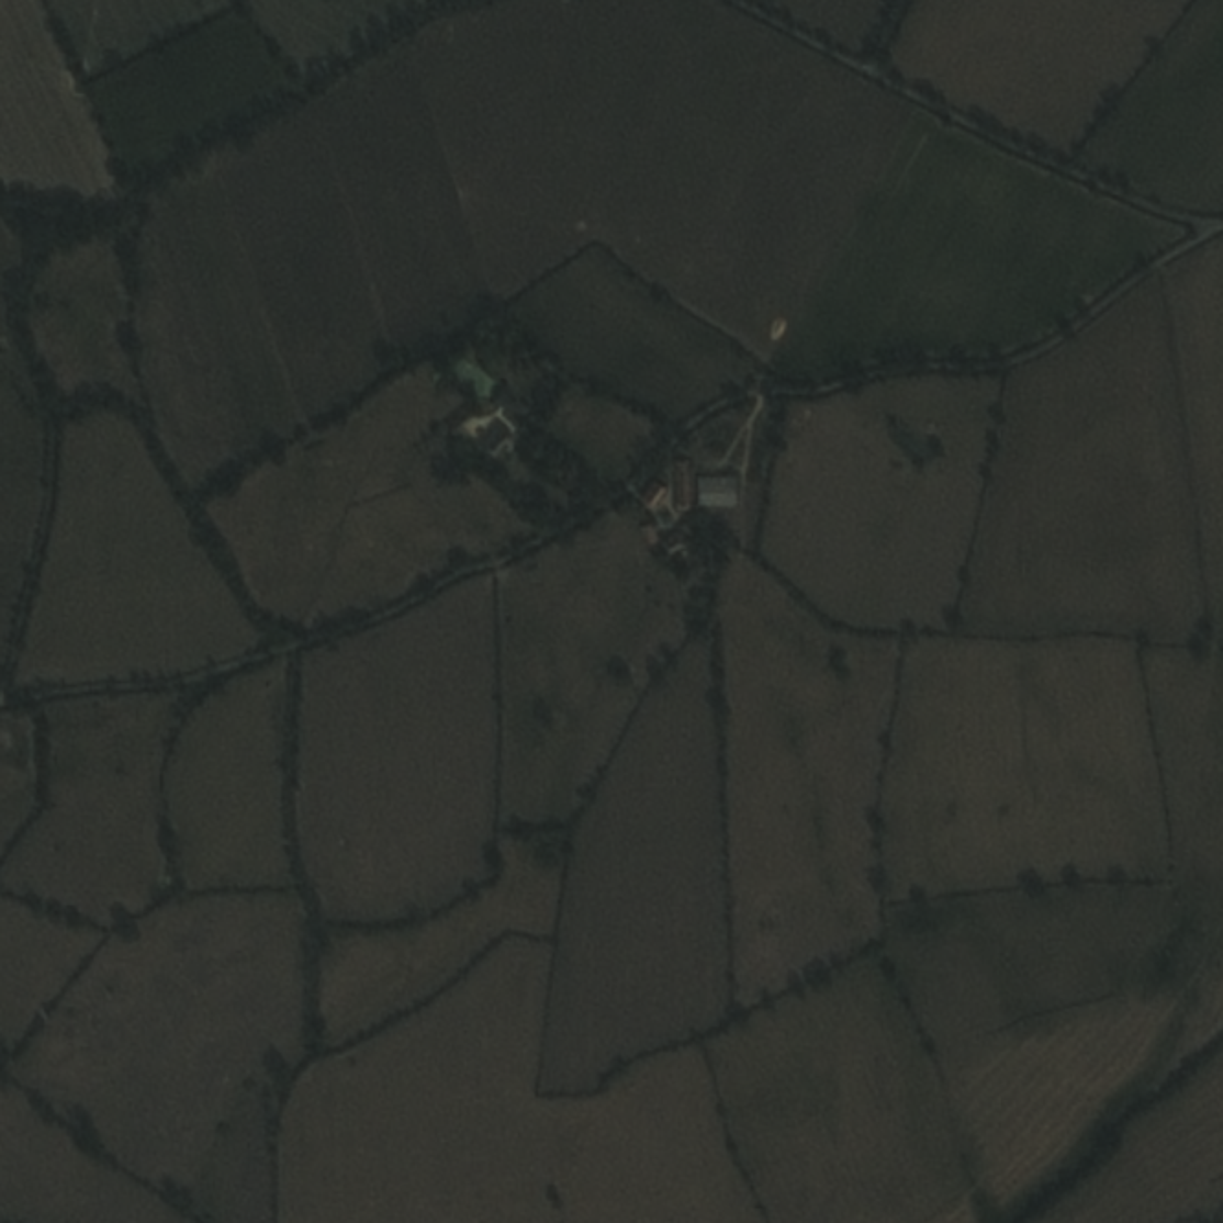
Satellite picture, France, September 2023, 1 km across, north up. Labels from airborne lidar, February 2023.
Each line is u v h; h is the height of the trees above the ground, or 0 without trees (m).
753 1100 0
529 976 0
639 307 0
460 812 0
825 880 0
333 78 15
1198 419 0
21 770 0
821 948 0
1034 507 0
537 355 11
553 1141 0
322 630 12
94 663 0
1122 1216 0
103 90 0
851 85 0
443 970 0
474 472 8
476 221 0
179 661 0
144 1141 0
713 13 0
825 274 0
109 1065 0
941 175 0
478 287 0
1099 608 0
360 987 0
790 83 0
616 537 0
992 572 0
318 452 0
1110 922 0
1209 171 0
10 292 14
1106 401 0
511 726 0
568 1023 0
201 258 0
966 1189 0
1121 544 0
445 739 0
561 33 0
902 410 0
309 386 0
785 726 0
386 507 0
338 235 0
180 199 0
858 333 0
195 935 0
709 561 23
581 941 0
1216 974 0
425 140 0
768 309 0
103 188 0
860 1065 0
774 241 0
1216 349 0
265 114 15
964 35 0
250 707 0
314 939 15
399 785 0
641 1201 0
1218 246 0
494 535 0
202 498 10
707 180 0
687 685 0
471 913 0
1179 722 0
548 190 0
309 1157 0
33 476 0
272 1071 20
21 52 0
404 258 0
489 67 0
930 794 0
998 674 0
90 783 0
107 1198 0
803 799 0
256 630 12
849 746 0
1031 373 0
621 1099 0
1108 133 0
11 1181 0
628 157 0
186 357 0
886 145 0
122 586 0
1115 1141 13
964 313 0
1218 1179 0
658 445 13
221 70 0
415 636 0
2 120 0
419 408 0
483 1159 0
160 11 0
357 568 0
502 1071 0
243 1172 0
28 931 0
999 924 0
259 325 0
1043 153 11
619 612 0
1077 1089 0
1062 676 0
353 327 0
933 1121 0
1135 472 0
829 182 0
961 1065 0
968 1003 0
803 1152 0
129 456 0
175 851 9
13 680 9
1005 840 0
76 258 0
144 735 0
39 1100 12
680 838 0
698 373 0
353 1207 0
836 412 0
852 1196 0
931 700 0
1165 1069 0
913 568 0
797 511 0
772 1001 13
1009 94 0
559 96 0
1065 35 0
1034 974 0
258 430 0
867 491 0
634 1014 0
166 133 0
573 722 0
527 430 16
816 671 0
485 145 0
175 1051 0
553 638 0
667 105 0
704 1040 7
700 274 0
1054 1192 7
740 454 0
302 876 10
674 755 0
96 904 0
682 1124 0
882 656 0
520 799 0
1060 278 0
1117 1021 0
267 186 0
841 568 0
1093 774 0
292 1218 0
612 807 0
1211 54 0
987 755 0
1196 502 0
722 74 0
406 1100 0
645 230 0
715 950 0
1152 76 0
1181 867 0
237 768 0
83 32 0
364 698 0
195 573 0
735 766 0
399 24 18
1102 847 0
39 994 0
